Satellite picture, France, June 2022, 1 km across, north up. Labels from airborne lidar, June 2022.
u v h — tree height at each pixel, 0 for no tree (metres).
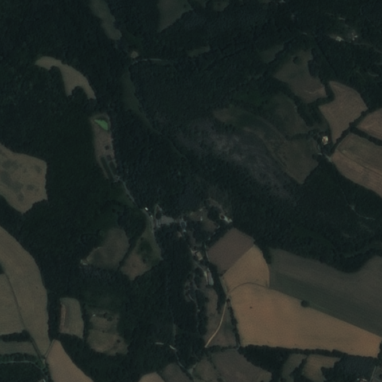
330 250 12
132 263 0
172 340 14
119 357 15
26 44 22
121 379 6
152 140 21
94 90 9
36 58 13
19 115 22
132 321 17
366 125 0
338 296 0
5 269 0
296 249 12
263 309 0
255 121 0
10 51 36
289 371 0
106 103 20
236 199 13
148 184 22
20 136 19
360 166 0
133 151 27
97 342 0
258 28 34
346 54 19
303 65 0
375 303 0
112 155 0
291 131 0
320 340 0
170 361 14
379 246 0
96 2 0
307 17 22
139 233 15
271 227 11
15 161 0
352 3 18
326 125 0
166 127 13
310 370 0
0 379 14
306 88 0
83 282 13
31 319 0
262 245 14
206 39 20
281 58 21
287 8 21
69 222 14
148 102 16
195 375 0
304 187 12
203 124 0
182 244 16
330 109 0
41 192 0
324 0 17
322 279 0
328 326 0
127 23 17
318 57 20
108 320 6
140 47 0
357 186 12
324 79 12
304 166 0
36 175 0
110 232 0
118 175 9
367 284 0
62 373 0
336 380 18
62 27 25
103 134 0
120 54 20
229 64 26
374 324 0
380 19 10
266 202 18
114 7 25
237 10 23
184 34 14
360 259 21
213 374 0
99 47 14
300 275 0
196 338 16
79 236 14
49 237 12
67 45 19
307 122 10
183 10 0
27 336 16
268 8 15
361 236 10
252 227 16
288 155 0
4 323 0
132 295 16
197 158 20
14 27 32
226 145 0
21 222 15
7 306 0
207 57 31
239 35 16
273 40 25
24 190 0
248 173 8
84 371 9
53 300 15
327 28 21
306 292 0
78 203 23
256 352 13
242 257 0
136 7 25
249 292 0
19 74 22
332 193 16
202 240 16
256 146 0
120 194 0
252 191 18
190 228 11
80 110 19
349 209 11
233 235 0
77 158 18
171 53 21
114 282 14
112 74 14
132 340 8
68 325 0
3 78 22
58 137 16
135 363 15
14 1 21
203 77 21
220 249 0
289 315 0
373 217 9
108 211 0
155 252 0
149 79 15
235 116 0
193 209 20
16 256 0
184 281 11
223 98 9
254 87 10
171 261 17
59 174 20
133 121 25
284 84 14
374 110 12
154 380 0
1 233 0
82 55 25
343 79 11
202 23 22
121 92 9
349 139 0
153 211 14
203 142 9
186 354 17
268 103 9
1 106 20
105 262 0
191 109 13
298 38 24
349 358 22
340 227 9
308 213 10
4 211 14
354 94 0
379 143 13
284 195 0
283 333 0
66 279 16
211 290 0
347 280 0
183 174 14
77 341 15
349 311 0
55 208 9
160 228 7
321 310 0
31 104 24
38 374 10
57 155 16
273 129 0
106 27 0
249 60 25
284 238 16
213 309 0
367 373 19
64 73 0
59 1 14
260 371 0
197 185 8
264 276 0
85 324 6
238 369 0
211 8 19
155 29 18
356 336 0
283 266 0
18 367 14
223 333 0
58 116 23
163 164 24
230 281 0
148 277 14
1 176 0
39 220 15
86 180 16
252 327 0
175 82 14
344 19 7
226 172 22
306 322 0
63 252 17
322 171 16
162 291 22
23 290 0
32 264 0
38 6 31
